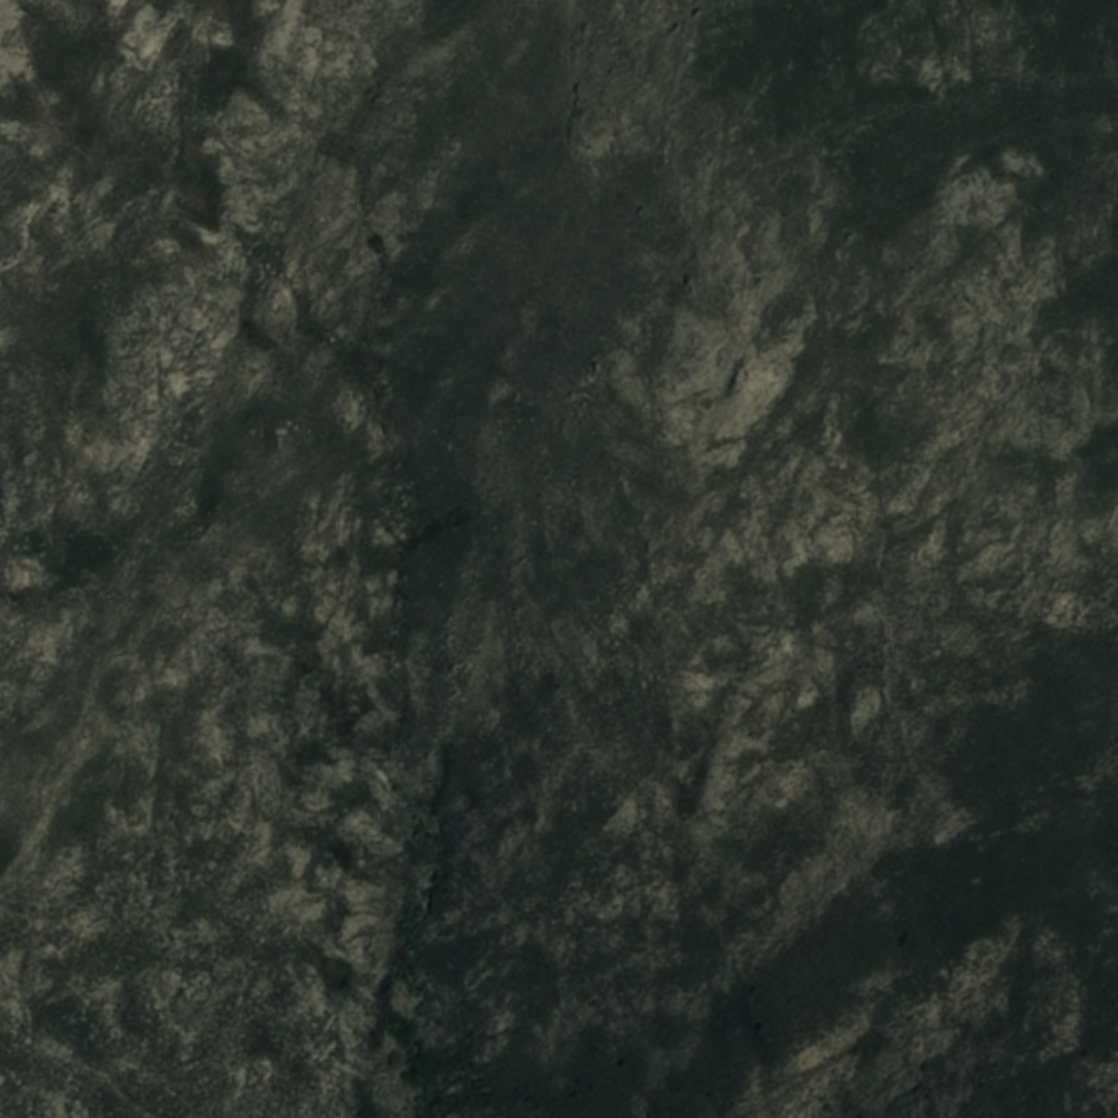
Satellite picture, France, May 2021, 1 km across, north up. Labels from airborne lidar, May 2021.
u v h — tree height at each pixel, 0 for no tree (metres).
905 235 0
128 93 0
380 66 0
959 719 0
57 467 0
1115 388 0
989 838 0
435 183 0
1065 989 0
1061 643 0
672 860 0
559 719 0
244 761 0
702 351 0
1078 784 0
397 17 0
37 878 0
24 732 0
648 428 0
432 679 0
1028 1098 0
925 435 0
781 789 0
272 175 0
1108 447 0
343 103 0
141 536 0
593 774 0
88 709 0
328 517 0
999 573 0
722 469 0
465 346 0
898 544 0
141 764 0
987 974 0
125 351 0
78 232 0
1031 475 0
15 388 0
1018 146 0
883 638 0
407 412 0
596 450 0
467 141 0
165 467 0
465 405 0
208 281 0
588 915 0
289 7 0
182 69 0
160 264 0
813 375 0
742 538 0
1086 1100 0
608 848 0
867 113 0
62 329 0
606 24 0
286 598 0
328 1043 0
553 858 0
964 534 0
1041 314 0
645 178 0
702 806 0
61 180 0
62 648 0
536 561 0
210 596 0
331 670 0
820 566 0
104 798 0
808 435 0
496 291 0
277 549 0
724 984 0
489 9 0
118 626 0
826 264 0
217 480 0
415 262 0
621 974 0
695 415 0
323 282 0
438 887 10
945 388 0
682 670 0
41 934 0
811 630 0
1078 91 0
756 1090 0
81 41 0
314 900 0
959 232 0
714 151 0
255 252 0
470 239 0
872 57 0
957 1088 0
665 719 0
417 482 0
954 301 0
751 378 0
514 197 0
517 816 0
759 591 0
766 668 0
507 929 0
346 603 0
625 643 0
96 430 0
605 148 0
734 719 0
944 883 0
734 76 0
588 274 0
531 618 0
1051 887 0
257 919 0
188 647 0
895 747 0
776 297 0
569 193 0
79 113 0
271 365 0
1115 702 0
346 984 10
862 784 0
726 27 0
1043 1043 0
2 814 0
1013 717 0
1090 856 0
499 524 0
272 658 0
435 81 0
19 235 0
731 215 0
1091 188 0
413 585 0
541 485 0
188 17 0
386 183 0
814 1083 0
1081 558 0
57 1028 0
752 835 0
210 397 0
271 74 0
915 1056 0
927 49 0
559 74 0
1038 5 0
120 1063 0
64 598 0
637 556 0
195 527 0
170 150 0
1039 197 0
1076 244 0
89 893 0
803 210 0
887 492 0
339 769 0
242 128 0
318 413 0
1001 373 0
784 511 0
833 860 0
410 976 7
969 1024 0
